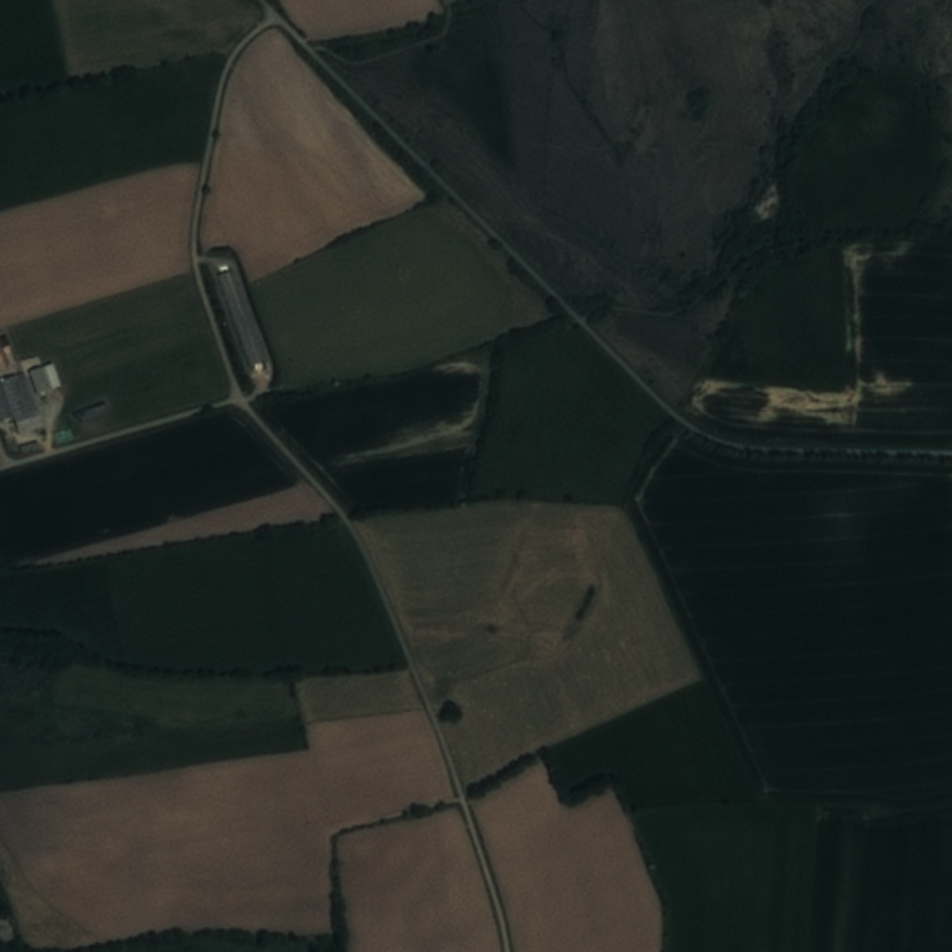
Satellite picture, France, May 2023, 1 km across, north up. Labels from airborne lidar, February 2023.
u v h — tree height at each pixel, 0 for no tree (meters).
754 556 0
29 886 0
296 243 0
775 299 0
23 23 0
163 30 0
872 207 0
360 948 0
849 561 0
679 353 0
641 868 0
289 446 0
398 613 0
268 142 0
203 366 0
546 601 0
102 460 0
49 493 0
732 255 10
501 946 0
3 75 0
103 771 0
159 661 0
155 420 0
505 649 0
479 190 0
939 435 0
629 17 0
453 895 0
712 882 0
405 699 0
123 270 0
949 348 0
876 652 0
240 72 0
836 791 0
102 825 0
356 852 0
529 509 0
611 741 0
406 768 0
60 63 0
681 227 0
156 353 0
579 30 0
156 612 0
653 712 0
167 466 0
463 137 0
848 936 0
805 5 0
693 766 0
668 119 0
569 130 0
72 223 0
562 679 0
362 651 0
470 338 0
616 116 0
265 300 0
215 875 0
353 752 0
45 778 0
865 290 0
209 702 0
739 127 0
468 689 0
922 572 0
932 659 0
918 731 0
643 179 0
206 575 0
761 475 0
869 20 8
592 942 0
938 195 0
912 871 0
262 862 0
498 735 0
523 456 0
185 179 0
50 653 15
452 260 0
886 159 0
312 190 0
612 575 0
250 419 0
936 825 0
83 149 0
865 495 0
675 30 0
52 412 0
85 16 0
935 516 0
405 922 0
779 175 7
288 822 0
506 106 0
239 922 0
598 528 0
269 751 0
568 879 0
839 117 0
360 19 0
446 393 0
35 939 0
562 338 0
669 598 0
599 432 0
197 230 0
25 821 0
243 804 0
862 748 0
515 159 0
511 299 0
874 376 0
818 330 0
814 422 0
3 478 0
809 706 0
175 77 0
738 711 0
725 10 0
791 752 0
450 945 0
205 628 0
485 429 6
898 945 0
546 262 0
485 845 0
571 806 14
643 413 0
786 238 12
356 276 0
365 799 0
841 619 0
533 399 0
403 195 0
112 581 0
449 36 0
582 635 0
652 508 0
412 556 0
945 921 0
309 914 0
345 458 0
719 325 6
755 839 0
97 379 0
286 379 0
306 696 0
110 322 0
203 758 0
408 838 0
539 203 0
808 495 0
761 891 0
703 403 0
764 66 0
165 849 0
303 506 0
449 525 0
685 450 0
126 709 0
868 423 0
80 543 0
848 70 9
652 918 0
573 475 0
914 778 0
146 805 0
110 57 0
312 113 0
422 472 0
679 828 0
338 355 0
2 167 0
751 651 0
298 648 0
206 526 0
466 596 0
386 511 9
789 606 0
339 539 0
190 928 0
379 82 0
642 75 0
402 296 0
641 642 0
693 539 0
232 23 0
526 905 0
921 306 0
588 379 0
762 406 0
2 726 0
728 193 0
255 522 0
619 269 0
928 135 0
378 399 0
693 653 0
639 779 0
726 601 0
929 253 0
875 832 0
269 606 0
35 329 0
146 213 0
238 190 0
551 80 0
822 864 0
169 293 0
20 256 0
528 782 0
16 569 6
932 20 0
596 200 0
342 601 0
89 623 0
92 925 0
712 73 0
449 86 0
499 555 0
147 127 0
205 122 0
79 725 0
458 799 0
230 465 0
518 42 0
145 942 14
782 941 0
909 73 0
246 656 0
